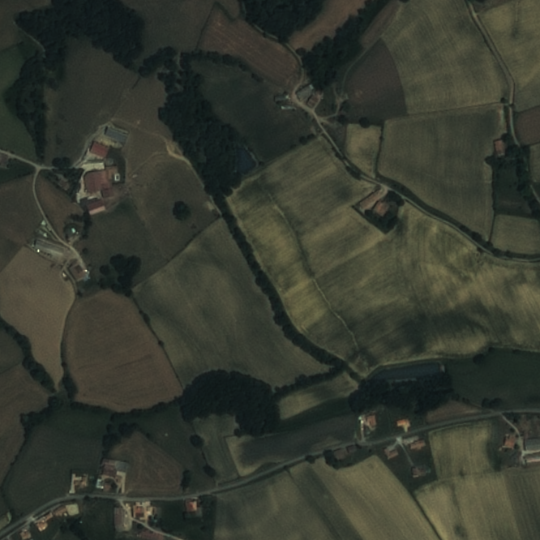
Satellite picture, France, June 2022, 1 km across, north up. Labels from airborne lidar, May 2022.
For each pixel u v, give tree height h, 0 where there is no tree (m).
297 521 0
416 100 0
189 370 0
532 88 0
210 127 26
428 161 0
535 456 0
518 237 0
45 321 0
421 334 0
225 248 0
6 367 0
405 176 0
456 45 0
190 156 18
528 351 0
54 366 0
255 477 0
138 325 0
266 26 20
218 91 0
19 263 0
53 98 0
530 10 0
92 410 8
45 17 20
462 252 0
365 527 0
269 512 0
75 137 0
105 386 0
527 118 0
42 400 0
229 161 21
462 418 0
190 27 0
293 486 0
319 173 0
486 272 0
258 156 0
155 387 0
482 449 0
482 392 0
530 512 0
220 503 0
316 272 0
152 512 0
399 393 26
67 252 0
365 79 0
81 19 23
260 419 29
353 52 0
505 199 0
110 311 0
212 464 0
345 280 0
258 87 0
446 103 0
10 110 0
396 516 0
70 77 0
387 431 0
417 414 13
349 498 0
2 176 0
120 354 0
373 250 0
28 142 0
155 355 0
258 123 0
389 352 0
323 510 0
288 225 0
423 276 0
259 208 0
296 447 0
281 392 26
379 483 0
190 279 0
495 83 0
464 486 0
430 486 0
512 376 0
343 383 0
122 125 0
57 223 0
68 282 0
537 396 0
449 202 0
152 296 0
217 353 0
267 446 0
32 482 0
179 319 0
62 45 20
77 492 0
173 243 0
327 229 0
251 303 0
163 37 0
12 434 0
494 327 0
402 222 0
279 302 12
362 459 0
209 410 20
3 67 0
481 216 0
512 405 0
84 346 0
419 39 0
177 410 0
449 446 0
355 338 0
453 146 0
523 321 0
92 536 0
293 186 0
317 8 21
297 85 0
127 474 0
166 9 0
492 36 0
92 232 0
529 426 0
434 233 0
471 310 0
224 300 0
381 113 0
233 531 0
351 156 0
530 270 0
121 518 0
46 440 0
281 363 0
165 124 12
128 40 24
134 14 17
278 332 0
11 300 0
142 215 0
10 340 0
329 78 16
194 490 0
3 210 0
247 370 0
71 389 15
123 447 0
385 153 0
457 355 0
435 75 0
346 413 0
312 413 0
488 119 0
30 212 0
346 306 0
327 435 0
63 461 0
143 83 0
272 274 0
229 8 0
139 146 0
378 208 0
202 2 0
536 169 0
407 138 0
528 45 0
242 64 7
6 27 0
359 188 0
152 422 0
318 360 7
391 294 0
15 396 0
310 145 0
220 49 0
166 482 0
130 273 18
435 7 0
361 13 19
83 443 0
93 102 0
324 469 0
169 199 0
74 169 8
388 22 0
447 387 20
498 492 0
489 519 0
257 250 0
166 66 15
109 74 0
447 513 0
